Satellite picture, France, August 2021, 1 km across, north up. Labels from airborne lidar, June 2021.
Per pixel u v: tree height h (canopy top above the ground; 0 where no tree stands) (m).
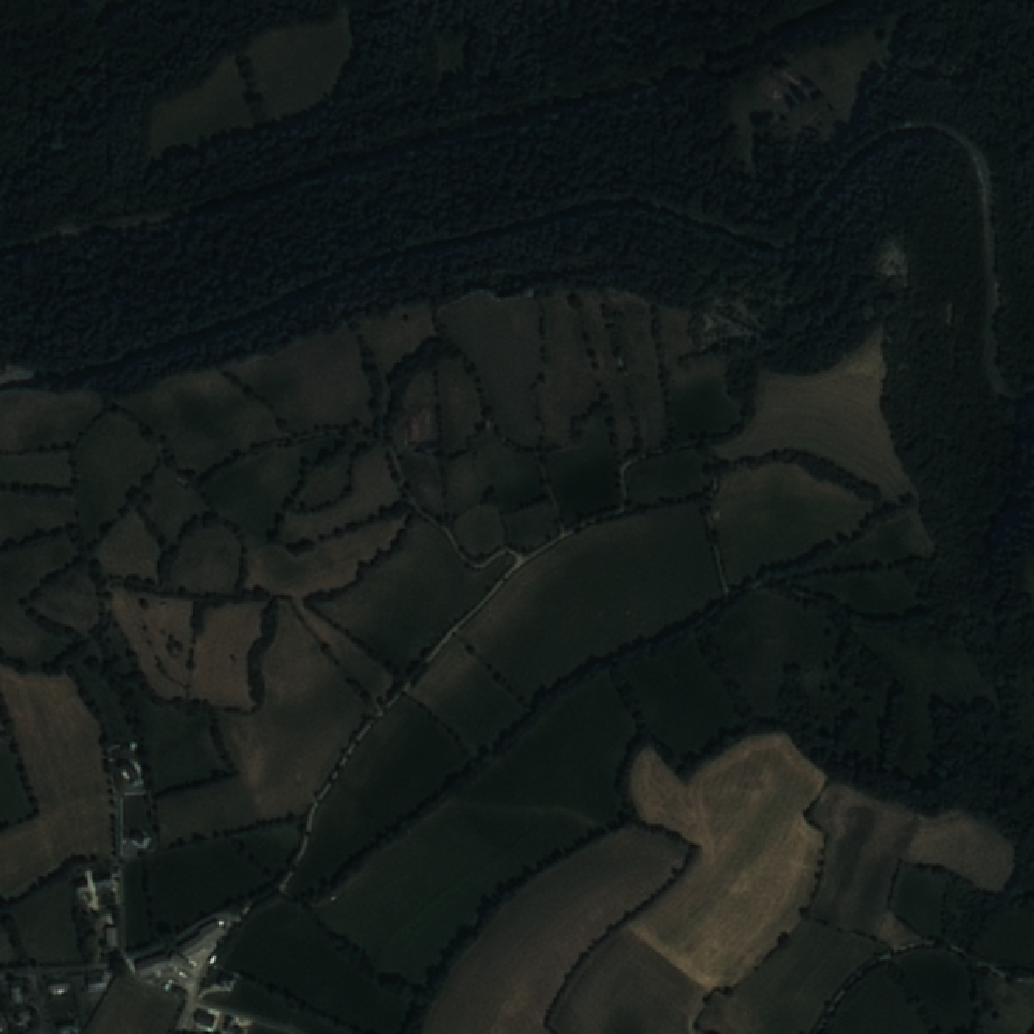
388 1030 0
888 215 13
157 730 0
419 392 0
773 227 20
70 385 8
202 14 21
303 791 0
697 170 24
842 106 0
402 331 0
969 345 13
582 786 0
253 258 15
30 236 11
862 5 22
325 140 18
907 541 0
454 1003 0
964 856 0
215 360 15
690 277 17
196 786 9
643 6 27
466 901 0
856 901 0
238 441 0
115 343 18
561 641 0
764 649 0
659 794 0
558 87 23
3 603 0
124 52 25
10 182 17
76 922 9
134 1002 0
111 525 8
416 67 21
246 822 0
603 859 0
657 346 7
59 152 16
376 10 15
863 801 0
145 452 0
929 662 0
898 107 18
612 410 8
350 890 0
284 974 0
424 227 20
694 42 29
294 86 0
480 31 23
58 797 0
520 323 0
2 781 0
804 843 0
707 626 11
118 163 18
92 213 18
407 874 0
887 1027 0
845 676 15
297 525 0
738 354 9
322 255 18
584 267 9
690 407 0
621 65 22
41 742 0
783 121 8
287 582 0
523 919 0
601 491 0
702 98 24
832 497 0
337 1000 0
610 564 0
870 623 10
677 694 0
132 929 0
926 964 0
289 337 13
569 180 17
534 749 0
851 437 0
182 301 22
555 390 0
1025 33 23
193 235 25
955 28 21
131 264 17
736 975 0
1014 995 0
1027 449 27
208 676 0
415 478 0
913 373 11
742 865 0
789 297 9
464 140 12
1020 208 18
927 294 16
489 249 13
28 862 0
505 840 0
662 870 0
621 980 0
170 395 0
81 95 16
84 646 12
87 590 0
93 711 11
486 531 0
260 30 14
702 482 0
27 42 18
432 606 0
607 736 0
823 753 16
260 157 19
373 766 0
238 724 0
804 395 0
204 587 0
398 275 15
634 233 15
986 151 17
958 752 15
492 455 0
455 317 0
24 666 10
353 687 10
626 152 18
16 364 7
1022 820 9
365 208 12
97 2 17
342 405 0
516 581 0
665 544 0
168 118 0
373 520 6
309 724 0
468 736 0
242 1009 0
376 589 0
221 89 0
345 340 0
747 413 8
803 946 0
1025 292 18
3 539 0
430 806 8
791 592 10
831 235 10
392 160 14
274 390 0
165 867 0
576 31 21
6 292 15
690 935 0
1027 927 0
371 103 15
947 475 16
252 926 0
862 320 10
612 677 13
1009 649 18
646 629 0
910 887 0
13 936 11
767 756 0
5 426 0
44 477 0
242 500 0
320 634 0
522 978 0
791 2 18
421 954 0
